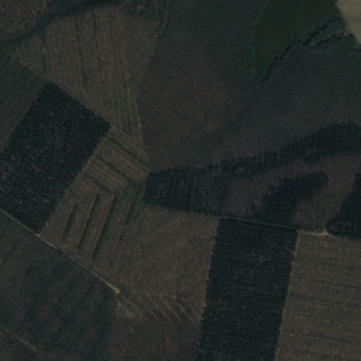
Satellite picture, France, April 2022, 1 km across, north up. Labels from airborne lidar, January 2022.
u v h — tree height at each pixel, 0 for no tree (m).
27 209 16
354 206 21
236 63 12
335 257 0
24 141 18
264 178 16
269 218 18
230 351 11
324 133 20
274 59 0
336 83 13
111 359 13
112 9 0
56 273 17
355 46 14
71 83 0
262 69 0
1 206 16
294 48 17
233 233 21
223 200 16
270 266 18
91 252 0
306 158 20
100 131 21
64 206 0
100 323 16
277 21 0
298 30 0
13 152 12
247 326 16
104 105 0
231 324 17
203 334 12
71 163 19
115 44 0
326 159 17
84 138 18
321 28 0
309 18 0
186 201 18
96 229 0
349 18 0
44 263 11
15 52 0
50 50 0
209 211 10
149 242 0
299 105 0
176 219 0
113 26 0
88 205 0
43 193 12
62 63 0
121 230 0
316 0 0
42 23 21
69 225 0
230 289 13
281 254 18
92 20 0
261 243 20
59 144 11
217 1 14
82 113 19
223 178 13
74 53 0
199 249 0
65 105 17
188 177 18
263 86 22
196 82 16
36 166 13
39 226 22
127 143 0
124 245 0
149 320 16
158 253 0
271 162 17
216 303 13
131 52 0
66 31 0
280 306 16
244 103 10
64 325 17
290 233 19
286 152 18
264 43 0
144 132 15
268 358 19
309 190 27
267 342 15
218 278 18
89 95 0
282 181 17
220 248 19
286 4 0
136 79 0
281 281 16
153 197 17
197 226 0
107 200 0
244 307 17
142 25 0
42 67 0
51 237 0
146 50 0
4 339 0
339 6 0
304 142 20
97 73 0
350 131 21
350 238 19
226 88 13
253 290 19
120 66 0
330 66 0
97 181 0
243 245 19
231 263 21
